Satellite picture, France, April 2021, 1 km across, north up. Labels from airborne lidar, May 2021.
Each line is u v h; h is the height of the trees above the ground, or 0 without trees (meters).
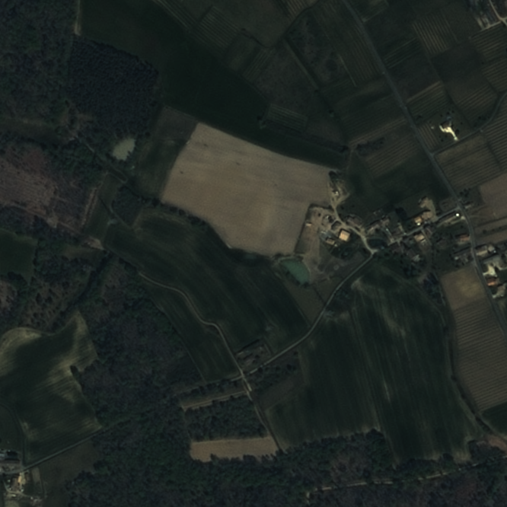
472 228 0
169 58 0
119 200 11
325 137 0
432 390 0
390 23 0
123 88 19
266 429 12
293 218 0
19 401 0
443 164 0
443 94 0
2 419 0
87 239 0
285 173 0
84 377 13
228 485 17
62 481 0
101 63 18
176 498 9
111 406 18
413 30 0
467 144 0
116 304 9
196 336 0
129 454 19
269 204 0
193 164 0
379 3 0
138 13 0
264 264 0
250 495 10
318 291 0
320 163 0
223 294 0
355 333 0
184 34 0
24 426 0
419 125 0
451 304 0
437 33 0
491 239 0
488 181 0
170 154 0
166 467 16
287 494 16
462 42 0
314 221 0
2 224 17
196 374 6
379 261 8
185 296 0
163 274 0
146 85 20
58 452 0
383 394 0
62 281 16
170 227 0
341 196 0
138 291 15
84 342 0
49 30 11
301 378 0
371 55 0
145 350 17
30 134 0
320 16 0
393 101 0
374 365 0
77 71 20
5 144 7
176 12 0
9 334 0
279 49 0
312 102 0
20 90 19
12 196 0
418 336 0
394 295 0
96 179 14
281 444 0
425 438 0
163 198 0
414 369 0
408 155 0
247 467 14
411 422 0
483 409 0
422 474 17
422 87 0
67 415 0
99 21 0
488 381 0
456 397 0
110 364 17
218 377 0
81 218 12
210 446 0
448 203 0
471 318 0
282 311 0
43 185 0
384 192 0
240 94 0
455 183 0
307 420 0
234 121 0
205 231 6
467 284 0
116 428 8
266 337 0
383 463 14
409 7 0
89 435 0
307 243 0
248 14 0
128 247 0
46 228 21
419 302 0
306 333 0
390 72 0
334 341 0
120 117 17
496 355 0
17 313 14
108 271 18
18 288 18
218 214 0
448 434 0
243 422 11
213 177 0
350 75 0
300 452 13
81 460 0
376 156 0
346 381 0
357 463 13
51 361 0
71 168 13
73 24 16
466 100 0
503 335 0
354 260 0
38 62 12
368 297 0
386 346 0
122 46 0
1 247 0
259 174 0
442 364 0
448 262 8
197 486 16
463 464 0
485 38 0
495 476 9
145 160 0
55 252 14
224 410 10
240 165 0
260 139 0
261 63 0
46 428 0
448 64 0
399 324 0
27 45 18
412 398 0
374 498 11
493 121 0
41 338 0
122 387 14
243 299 0
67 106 12
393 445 0
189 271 0
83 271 18
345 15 0
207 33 0
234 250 0
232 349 0
